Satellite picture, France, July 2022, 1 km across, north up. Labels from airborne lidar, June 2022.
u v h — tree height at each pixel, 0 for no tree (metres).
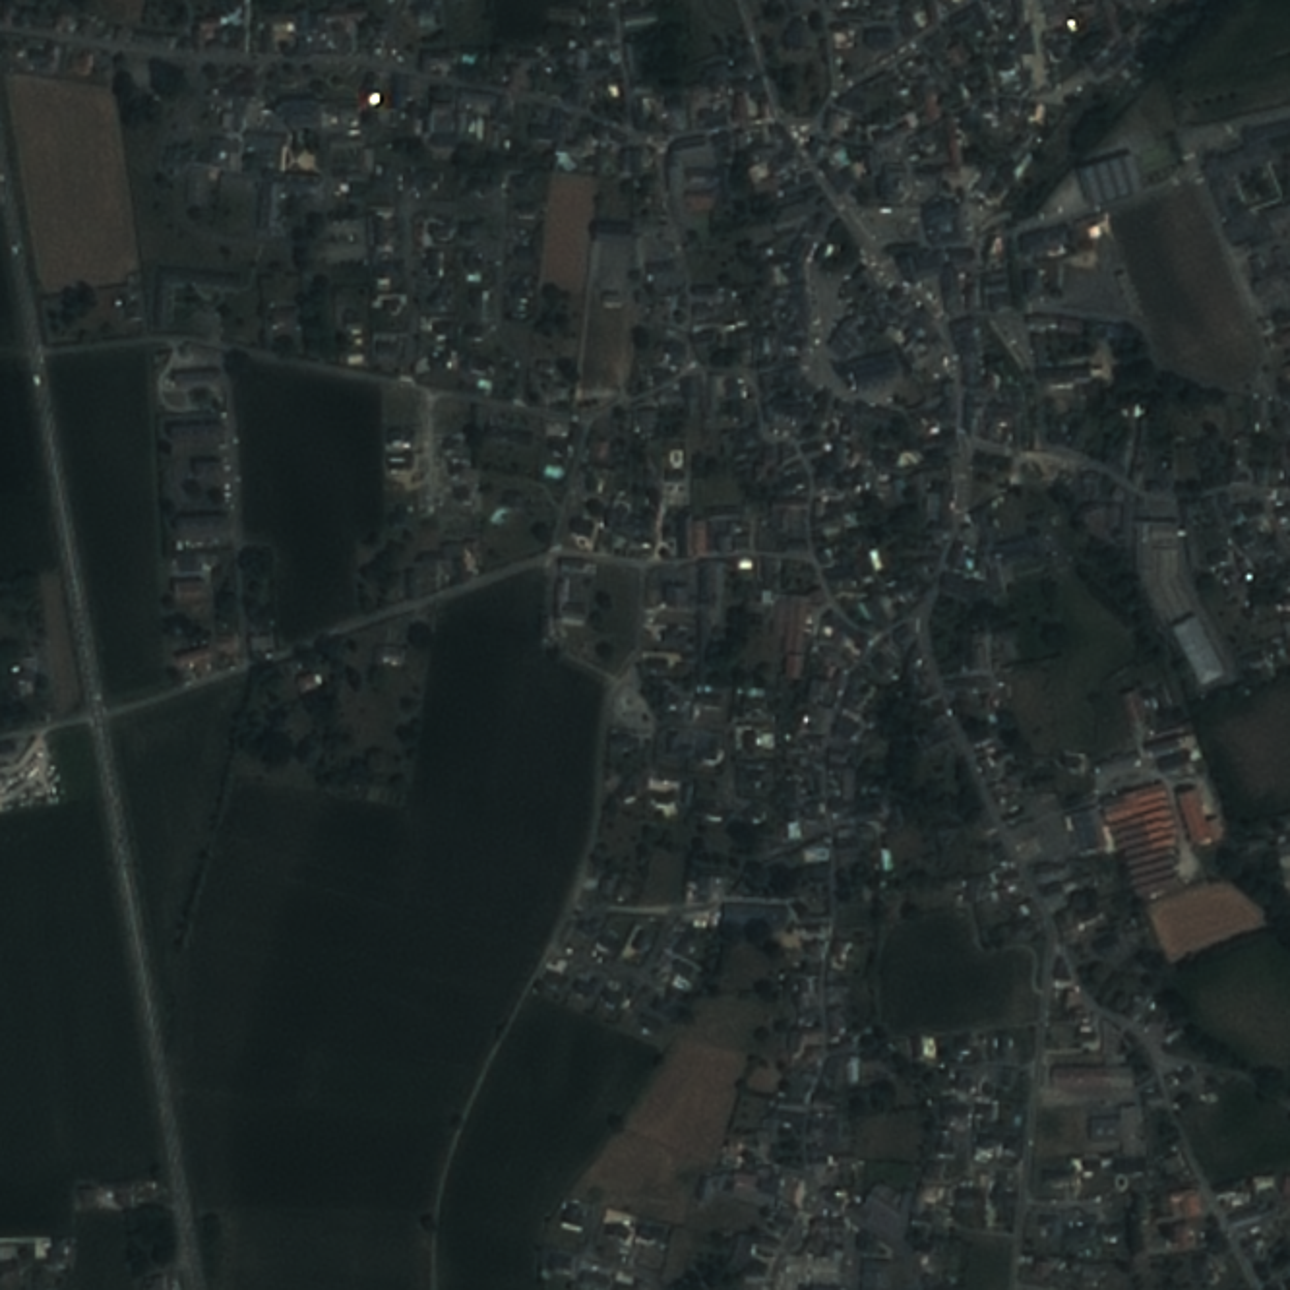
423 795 0
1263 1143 0
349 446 0
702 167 0
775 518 0
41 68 0
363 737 0
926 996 0
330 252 0
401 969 0
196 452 0
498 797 0
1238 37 0
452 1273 0
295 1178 0
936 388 5
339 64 0
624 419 8
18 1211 0
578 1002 0
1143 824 0
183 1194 0
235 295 0
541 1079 0
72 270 0
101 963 0
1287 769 0
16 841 0
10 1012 0
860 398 0
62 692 0
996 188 7
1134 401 10
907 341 0
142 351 0
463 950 0
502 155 9
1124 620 13
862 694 7
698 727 0
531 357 0
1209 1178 0
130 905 0
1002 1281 0
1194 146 0
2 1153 0
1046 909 0
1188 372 0
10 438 0
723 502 0
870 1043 14
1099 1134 0
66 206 0
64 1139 0
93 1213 0
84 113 0
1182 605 0
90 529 0
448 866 0
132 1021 0
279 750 24
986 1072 0
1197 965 9
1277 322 7
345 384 0
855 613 7
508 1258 0
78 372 0
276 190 0
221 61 0
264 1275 0
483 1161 0
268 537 0
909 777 16
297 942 0
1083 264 0
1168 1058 0
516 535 0
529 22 0
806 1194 0
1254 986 0
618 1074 0
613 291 0
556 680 0
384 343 0
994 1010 0
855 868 7
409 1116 0
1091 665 0
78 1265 0
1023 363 0
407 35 0
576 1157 0
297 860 0
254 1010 0
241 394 0
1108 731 0
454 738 0
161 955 0
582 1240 0
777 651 0
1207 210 0
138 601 0
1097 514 0
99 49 0
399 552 8
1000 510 0
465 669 0
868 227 0
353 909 0
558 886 0
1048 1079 0
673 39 14
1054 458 0
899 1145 0
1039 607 0
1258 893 20
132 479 0
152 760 0
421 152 16
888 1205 0
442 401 0
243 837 0
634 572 0
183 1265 0
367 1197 0
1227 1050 11
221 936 0
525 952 0
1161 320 0
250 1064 0
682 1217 0
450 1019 0
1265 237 0
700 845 12
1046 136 8
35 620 12
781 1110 0
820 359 0
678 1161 0
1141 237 0
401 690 0
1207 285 0
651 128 6
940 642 10
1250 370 0
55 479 0
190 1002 0
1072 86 0
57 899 0
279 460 0
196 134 0
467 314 0
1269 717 0
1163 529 0
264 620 17
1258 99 0
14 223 0
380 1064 0
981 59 8
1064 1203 0
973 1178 0
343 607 0
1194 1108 9
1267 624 0
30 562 0
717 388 0
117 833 0
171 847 0
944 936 0
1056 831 0
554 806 0
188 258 0
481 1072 0
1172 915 0
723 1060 0
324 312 16
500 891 0
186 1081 0
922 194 0
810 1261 0
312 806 0
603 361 0
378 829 0
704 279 0
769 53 7
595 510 10
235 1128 0
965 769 12
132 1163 0
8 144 0
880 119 10
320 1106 0
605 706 0
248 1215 0
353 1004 0
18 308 0
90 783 0
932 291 0
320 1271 0
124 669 0
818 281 0
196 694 0
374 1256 0
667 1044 0
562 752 0
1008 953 0
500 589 0
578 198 0
